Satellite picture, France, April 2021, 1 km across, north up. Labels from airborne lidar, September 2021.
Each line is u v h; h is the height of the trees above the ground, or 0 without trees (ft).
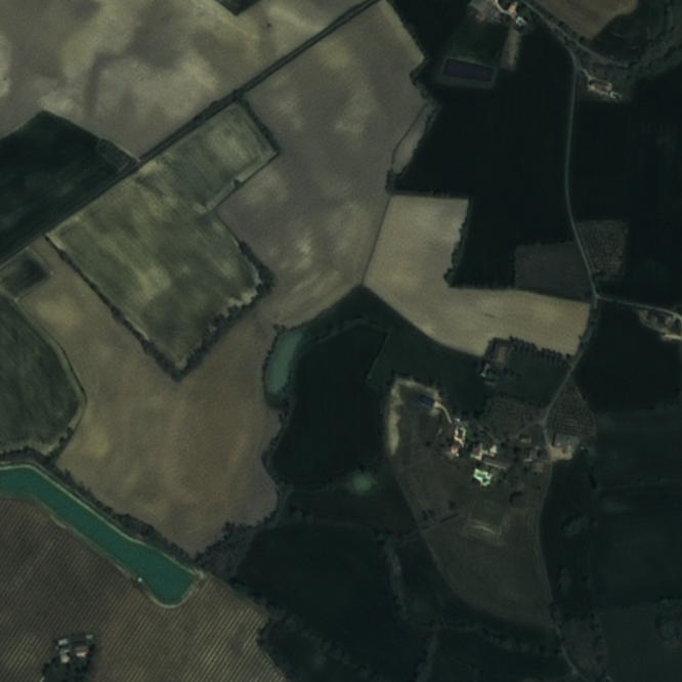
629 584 0
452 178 0
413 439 0
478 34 0
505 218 0
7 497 0
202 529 0
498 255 0
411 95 0
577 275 0
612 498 0
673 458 0
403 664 0
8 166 0
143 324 0
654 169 0
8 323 0
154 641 0
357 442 0
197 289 0
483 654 0
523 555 0
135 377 0
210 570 63
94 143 0
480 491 0
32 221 0
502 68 0
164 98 0
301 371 0
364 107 0
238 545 84
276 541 0
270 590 0
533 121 0
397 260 0
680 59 64
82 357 0
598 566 0
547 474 0
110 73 0
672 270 0
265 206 0
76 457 0
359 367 0
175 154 0
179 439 0
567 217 0
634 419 0
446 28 0
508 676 0
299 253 0
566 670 0
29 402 0
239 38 0
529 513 0
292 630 47
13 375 0
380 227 0
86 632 0
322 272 0
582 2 0
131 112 0
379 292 0
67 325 0
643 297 0
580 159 0
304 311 0
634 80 33
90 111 0
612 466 0
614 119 0
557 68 0
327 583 0
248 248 43
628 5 0
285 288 0
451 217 0
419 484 0
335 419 0
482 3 0
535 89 0
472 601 0
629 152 0
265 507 0
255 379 0
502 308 0
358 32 0
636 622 0
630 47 0
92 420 0
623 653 0
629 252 0
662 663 0
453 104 0
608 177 0
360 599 0
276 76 0
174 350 0
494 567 0
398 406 0
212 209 0
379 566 0
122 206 0
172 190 0
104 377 0
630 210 0
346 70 0
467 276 0
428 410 0
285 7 0
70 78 0
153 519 0
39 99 0
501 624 0
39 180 0
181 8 0
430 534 0
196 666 0
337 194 0
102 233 0
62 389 0
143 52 0
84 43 0
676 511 0
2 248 0
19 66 0
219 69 0
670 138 0
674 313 0
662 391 0
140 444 0
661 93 0
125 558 0
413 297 0
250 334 0
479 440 40
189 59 0
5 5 0
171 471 0
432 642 56
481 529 0
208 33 0
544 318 0
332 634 0
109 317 0
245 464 0
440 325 0
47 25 0
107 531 0
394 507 0
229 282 0
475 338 0
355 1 0
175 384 29
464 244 21
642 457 0
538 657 0
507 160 0
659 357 0
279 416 0
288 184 0
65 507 0
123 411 0
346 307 0
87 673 50
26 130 0
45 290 0
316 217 0
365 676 39
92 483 0
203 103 0
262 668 0
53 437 0
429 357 0
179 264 0
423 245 0
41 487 0
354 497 0
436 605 0
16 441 0
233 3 0
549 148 0
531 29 33
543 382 0
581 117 0
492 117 0
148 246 0
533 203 0
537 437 0
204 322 0
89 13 0
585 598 0
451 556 0
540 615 0
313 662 0
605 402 0
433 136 0
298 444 0
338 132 0
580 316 0
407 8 0
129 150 0
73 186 0
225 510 0
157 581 0
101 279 0
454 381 0
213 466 0
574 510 0
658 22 0
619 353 0
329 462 0
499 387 0
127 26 0
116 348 0
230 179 0
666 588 0
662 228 0
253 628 0
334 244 0
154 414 0
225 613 0
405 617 50
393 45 0
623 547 0
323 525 0
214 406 0
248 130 0
